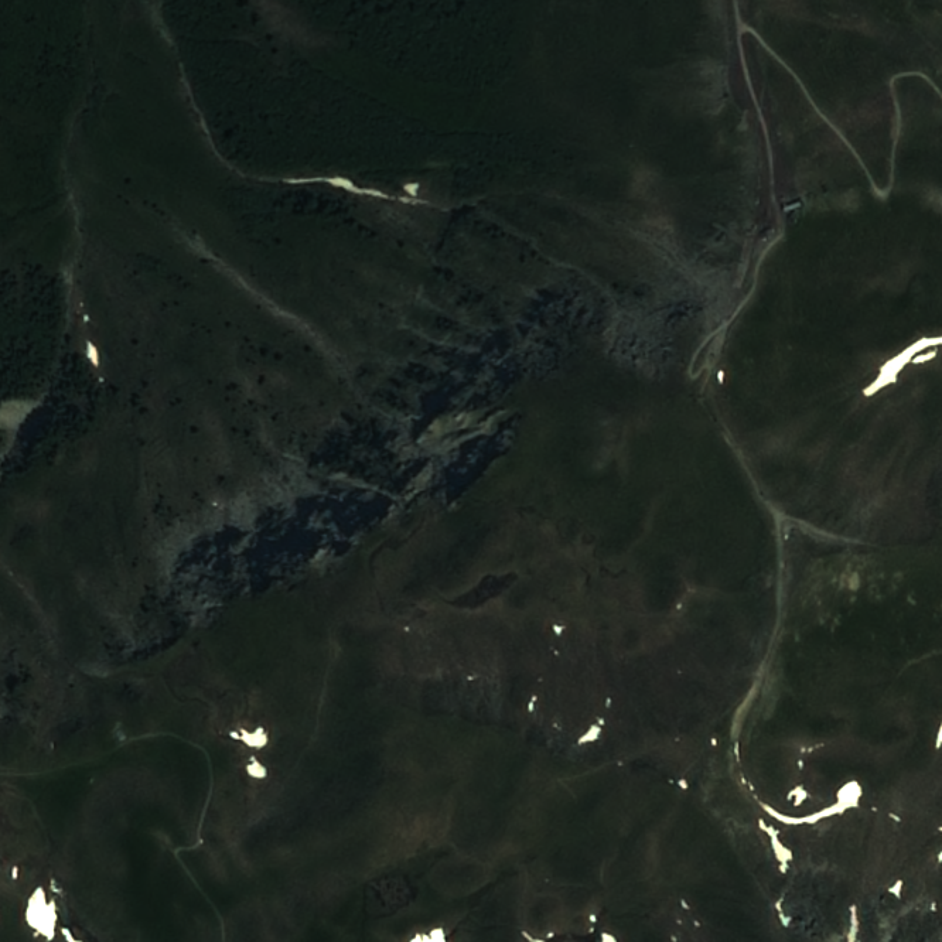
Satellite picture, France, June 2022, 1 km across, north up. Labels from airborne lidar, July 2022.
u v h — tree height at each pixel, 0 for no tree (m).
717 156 0
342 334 0
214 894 0
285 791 0
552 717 0
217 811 0
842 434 0
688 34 0
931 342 0
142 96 0
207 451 0
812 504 0
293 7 0
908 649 0
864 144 0
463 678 0
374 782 0
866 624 0
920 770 0
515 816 0
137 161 0
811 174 0
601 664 0
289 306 0
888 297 0
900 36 0
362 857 0
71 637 0
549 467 0
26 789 0
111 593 0
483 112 0
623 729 0
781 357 0
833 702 0
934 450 0
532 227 0
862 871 0
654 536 0
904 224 0
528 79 0
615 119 0
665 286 0
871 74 0
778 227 0
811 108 0
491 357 0
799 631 0
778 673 0
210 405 0
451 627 0
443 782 0
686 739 0
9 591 0
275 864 0
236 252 0
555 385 0
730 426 0
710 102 0
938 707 0
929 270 0
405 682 0
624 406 0
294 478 0
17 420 0
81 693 0
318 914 0
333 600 0
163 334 0
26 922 0
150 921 0
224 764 0
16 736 0
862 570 0
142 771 0
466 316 0
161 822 0
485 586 0
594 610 0
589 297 0
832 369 0
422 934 0
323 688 0
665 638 0
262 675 0
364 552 0
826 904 0
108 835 0
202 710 0
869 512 0
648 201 0
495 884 0
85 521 0
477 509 0
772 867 0
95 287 0
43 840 0
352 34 10
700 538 0
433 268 0
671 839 0
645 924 0
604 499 0
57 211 0
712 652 0
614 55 0
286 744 0
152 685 0
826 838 0
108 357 0
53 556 0
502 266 0
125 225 0
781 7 0
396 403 6
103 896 0
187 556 0
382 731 0
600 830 0
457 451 0
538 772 0
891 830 0
